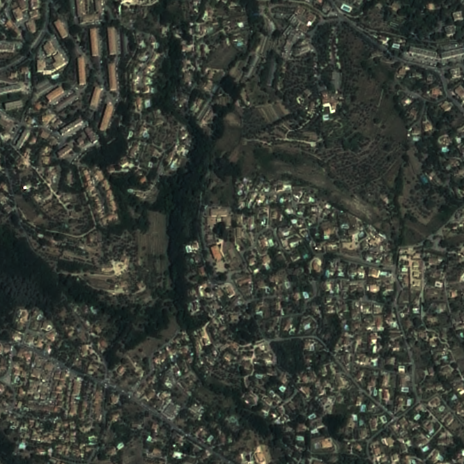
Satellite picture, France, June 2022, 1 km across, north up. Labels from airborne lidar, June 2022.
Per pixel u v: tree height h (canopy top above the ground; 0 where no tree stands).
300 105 6
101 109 7
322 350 6
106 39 7
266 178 6
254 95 0
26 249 10
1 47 0
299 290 8
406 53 0
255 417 13
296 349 10
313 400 7
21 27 6
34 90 7
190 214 8
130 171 7
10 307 10
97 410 0
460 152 7
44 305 10
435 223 0
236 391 10
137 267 6
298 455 11
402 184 6
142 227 10
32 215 0
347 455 6
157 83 6
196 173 14
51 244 9
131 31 11
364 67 9
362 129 0
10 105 0
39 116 6
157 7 16
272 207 8
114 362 13
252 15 12
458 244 6
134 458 0
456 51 0
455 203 8
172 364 9
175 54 9
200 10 8
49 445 8
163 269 0
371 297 11
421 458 10
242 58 10
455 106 6
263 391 7
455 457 6
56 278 17
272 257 7
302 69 6
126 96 13
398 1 7
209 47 6
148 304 5
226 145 0
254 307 14
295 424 9
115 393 6
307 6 6
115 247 6
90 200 10
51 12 9
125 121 14
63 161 11
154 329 15
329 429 8
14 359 8
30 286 22
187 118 13
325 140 13
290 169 0
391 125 0
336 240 6
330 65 6
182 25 7
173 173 7
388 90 9
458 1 8
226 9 6
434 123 9
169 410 0
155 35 6
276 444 23
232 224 9
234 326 6
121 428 13
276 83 15
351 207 0
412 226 0
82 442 6
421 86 9
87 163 8
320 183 0
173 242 17
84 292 8
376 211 0
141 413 7
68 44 13
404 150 7
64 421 5
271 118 0
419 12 9
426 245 14
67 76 10
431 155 8
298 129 6
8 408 0
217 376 6
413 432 7
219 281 8
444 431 6
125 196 7
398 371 6
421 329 6
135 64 7
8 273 13
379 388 7
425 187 9
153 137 6
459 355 0
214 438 6
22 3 0
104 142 15
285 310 6
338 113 7
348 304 7
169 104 6
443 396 5
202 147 18
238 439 7
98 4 0
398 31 8
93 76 15
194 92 9
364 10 10
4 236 12
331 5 7
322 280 10
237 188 6
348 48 6
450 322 8
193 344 9
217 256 0
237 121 0
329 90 15
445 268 10
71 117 15
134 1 0
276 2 13
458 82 8
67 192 9
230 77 14
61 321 7
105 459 10
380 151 6
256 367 10
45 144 7
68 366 10
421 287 0
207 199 6
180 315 12
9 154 7
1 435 13
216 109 19
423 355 6
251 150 0
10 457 13
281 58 7
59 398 0
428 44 17
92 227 6
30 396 7
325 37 15
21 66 7
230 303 10
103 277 0
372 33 7
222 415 5
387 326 7
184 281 16
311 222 10
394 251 6
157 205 8
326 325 6
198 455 15
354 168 6
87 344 6
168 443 6
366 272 7
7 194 6
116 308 10
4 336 7
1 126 7
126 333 15
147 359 15
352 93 7
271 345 8
